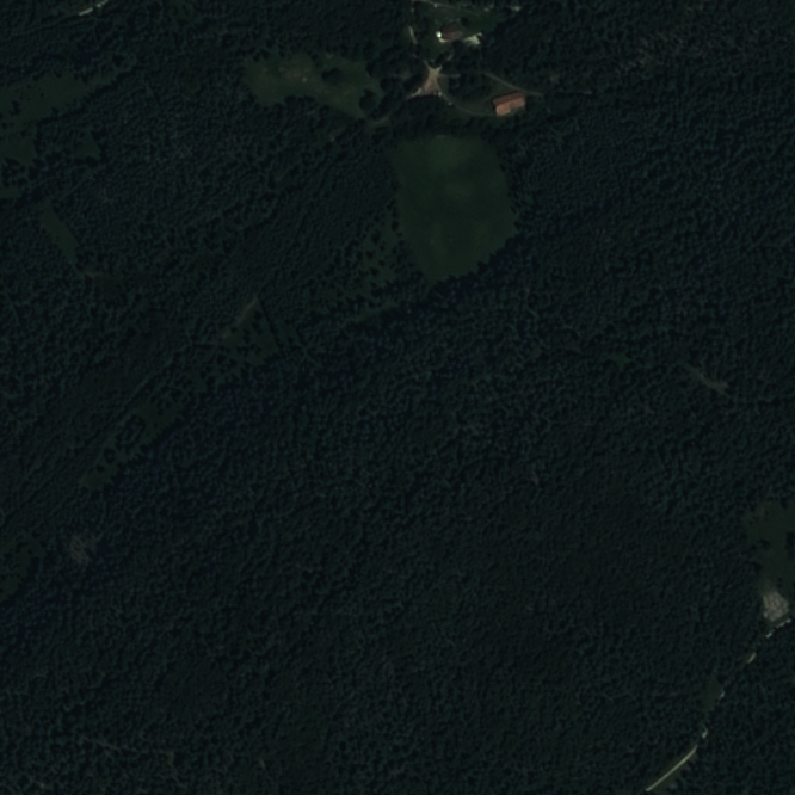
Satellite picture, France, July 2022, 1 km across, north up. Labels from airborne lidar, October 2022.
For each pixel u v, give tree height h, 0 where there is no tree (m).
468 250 0
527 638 12
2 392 27
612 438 22
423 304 8
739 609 18
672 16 17
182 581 15
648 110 31
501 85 0
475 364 23
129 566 36
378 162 16
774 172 22
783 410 15
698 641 16
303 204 20
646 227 28
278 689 22
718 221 9
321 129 20
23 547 15
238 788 13
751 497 16
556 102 13
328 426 14
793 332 17
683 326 33
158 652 25
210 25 21
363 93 0
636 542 15
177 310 28
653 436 29
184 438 21
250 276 22
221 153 19
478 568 18
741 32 19
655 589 17
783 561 0
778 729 16
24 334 26
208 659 25
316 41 11
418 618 17
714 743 9
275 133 15
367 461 18
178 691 22
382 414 26
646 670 21
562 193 25
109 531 33
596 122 25
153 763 27
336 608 17
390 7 10
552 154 25
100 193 22
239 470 38
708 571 15
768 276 29
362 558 20
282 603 24
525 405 15
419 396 23
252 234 22
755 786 18
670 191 29
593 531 19
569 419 21
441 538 15
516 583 18
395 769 23
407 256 12
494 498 20
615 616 15
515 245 17
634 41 22
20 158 0
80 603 34
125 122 18
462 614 10
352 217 14
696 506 16
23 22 24
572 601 15
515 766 20
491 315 19
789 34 19
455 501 19
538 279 24
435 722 21
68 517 25
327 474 17
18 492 25
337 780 18
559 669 13
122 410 20
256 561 22
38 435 28
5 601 0
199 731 24
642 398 12
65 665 19
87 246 21
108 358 13
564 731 7
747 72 11
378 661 12
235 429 34
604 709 22
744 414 22
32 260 20
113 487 7
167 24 10
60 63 28
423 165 0
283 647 10
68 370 22
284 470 19
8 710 18
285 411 34
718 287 27
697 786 14
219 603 16
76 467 18
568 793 13
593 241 25
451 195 0
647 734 15
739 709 9
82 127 20
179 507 21
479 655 17
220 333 26
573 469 21
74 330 22
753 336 14
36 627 16
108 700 30
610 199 25
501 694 8
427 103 15
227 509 21
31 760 24
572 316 24
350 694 27
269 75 0
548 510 14
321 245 15
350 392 27
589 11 16
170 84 21
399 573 17
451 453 25
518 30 22
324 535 22
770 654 10
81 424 25
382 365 31
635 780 20
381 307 11
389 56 15
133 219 26
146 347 28
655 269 21
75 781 24
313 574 6
